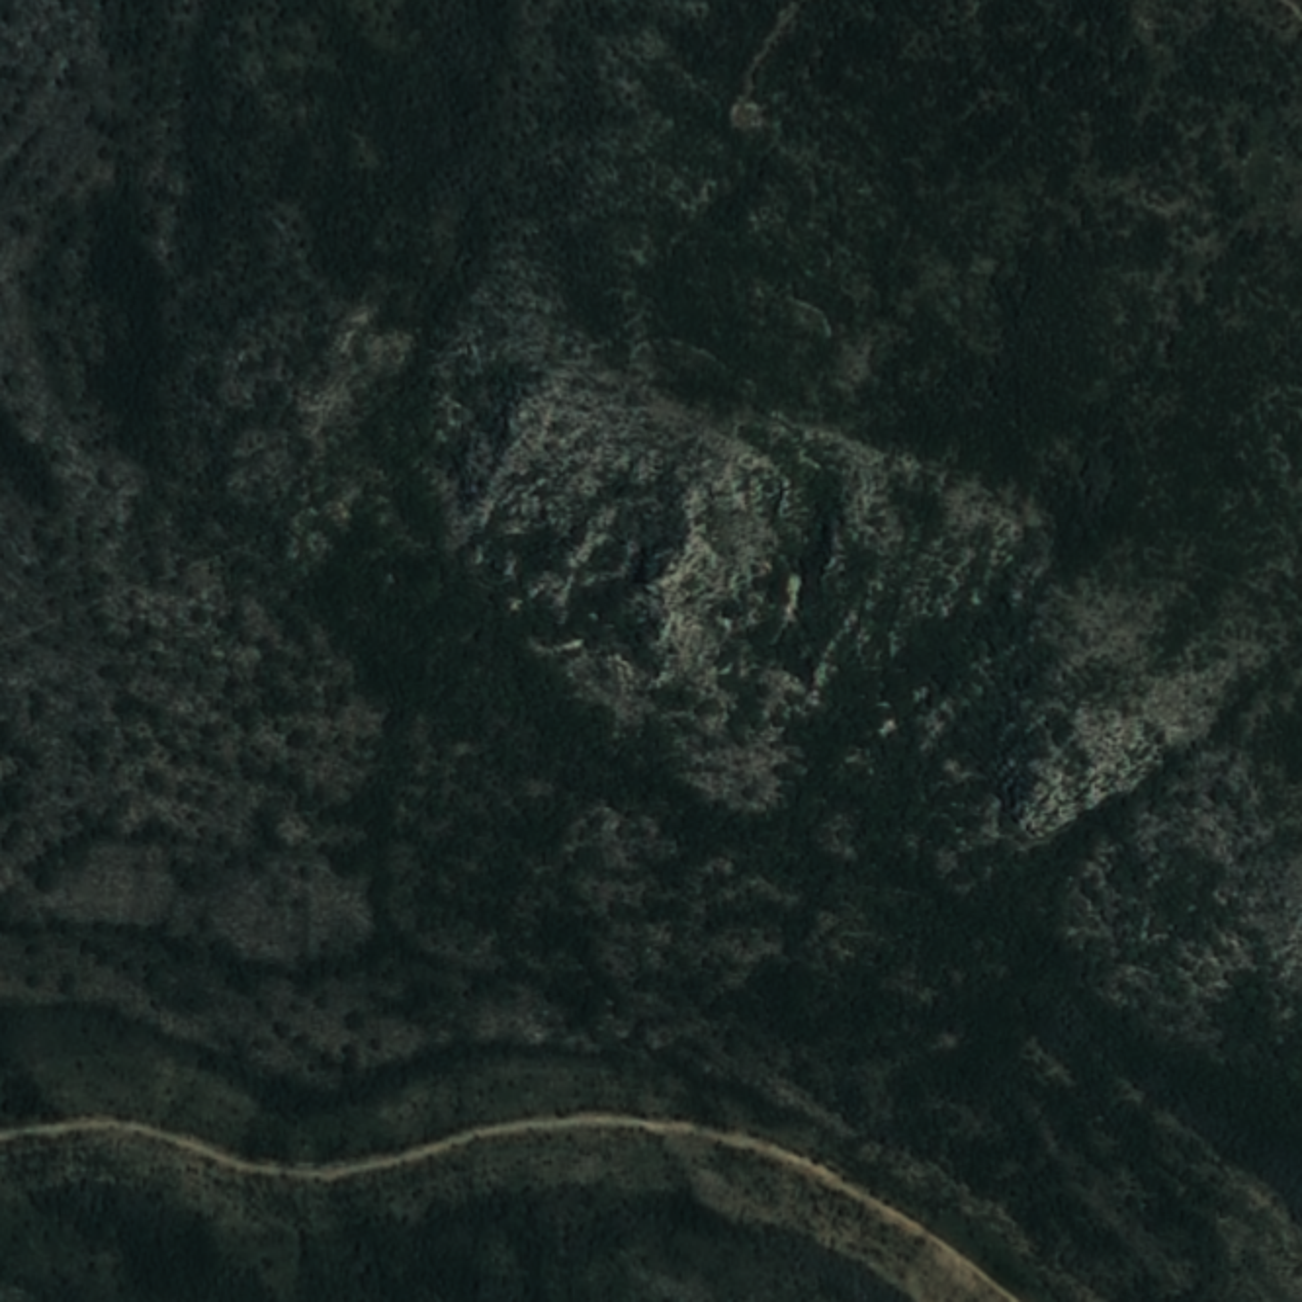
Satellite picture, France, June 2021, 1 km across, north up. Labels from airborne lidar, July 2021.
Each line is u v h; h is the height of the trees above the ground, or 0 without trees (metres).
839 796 8
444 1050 9
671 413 0
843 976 9
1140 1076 13
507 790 7
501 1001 7
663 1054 8
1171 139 6
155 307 6
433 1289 7
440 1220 6
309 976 9
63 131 0
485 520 8
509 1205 6
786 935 7
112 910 0
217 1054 11
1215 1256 6
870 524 6
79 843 9
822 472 11
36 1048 0
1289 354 7
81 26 0
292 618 9
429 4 7
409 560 8
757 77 7
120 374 7
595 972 8
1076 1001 7
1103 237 8
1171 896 7
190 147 5
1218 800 8
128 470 0
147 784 8
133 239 7
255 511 6
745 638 7
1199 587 6
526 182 5
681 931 6
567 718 8
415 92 7
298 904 6
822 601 6
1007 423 8
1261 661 0
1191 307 9
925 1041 7
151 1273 10
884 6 9
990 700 8
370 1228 5
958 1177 8
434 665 5
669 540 7
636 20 6
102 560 0
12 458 7
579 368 0
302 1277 6
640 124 0
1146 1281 7
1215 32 6
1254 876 6
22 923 6
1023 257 7
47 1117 10
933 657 9
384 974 9
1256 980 9
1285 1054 9
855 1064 11
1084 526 7
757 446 7
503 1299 11
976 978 7
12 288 0
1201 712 0
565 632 9
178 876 6
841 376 0
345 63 6
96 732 7
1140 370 6
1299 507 0
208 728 8
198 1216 7
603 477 7
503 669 7
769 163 6
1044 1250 7
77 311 6
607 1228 7
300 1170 0
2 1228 0
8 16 8
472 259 8
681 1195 6
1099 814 6
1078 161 6
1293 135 6
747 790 5
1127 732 0
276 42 7
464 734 7
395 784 6
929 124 5
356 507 8
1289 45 6
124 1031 6
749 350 6
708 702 7
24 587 0
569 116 7
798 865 7
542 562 12
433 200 8
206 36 6
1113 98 9
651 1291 0
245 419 7
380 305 7
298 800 6
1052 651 5
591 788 7
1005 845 7
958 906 12
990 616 9
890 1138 10
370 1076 8
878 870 7
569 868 10
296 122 7
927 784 8
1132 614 0
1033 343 6
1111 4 7
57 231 5
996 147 6
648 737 8
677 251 7
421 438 6
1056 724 7
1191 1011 5
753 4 6
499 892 8
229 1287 8
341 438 6
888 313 10
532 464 8
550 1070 0
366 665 6
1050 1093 7
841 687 7
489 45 9
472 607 7
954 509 0
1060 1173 7
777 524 7
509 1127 0
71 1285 6
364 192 8
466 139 8
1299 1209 7
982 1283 0
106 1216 9
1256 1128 11
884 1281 10
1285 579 6
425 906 7
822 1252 10
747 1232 7
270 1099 10
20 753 8
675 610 0
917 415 6
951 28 8
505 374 7
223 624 7
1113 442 8
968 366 10
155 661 8
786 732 8
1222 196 6
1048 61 11
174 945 9
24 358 0
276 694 7
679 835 11
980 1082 8
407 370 6
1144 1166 10
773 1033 8
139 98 7
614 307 5
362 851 9
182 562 8
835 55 6
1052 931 9
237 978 9
